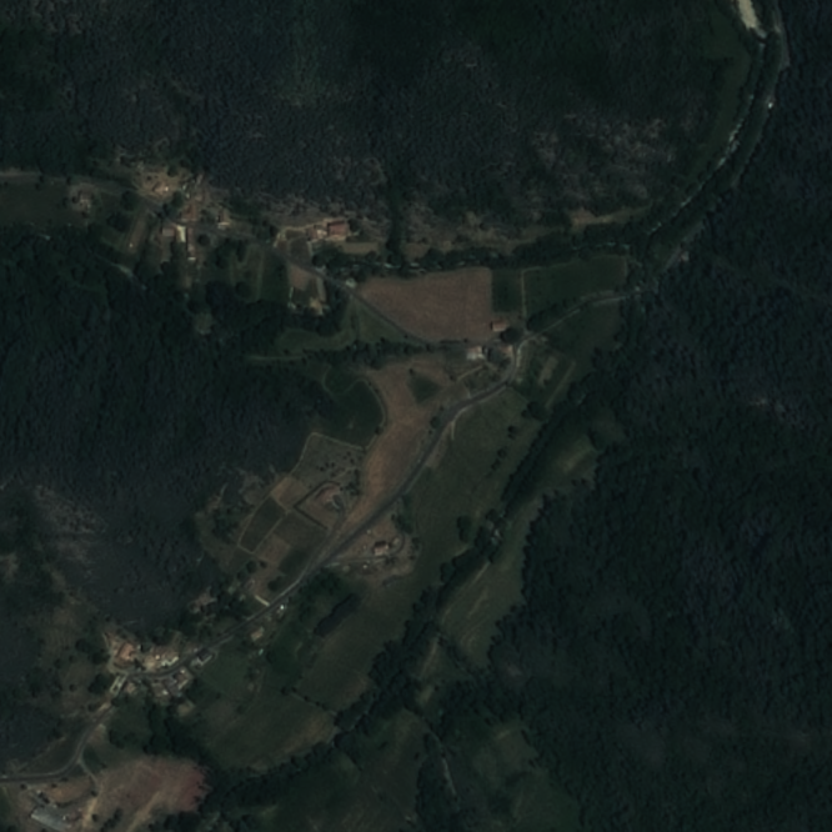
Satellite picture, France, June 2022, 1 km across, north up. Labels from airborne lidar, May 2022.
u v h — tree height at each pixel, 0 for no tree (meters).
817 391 9
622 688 7
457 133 8
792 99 17
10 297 23
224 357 12
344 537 0
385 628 0
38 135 26
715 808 9
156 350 21
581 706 18
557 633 11
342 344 0
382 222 9
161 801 0
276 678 0
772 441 8
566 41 20
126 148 15
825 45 14
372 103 19
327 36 14
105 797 0
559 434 17
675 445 14
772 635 18
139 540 15
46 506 0
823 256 8
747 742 8
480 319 0
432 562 0
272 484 0
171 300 20
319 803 0
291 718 0
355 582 0
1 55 11
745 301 16
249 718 0
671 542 6
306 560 0
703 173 13
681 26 21
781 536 18
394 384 0
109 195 0
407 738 0
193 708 0
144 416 19
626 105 15
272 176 12
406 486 0
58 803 0
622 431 0
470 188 15
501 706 22
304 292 0
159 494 0
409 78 11
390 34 7
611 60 19
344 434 0
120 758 0
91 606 0
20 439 23
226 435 18
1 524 0
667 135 11
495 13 14
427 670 0
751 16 0
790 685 16
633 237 14
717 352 13
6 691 11
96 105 17
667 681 19
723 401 9
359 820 0
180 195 9
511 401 0
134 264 0
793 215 17
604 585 9
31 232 9
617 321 0
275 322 18
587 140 8
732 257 19
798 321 32
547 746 22
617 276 0
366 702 13
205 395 22
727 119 0
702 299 17
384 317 0
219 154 15
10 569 0
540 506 0
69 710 0
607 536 6
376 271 10
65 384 21
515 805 0
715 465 15
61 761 0
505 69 13
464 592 0
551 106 12
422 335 0
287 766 12
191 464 17
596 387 18
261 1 12
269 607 0
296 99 6
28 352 33
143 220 0
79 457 18
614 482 13
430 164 16
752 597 44
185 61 16
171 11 13
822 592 24
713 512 21
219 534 12
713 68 9
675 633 12
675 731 13
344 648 0
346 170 9
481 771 0
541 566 16
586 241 14
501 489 0
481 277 0
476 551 9
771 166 17
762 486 26
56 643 0
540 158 8
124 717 0
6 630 0
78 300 28
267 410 18
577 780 14
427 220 0
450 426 0
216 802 23
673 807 9
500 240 0
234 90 23
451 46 8
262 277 0
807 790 12
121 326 18
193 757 29
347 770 0
